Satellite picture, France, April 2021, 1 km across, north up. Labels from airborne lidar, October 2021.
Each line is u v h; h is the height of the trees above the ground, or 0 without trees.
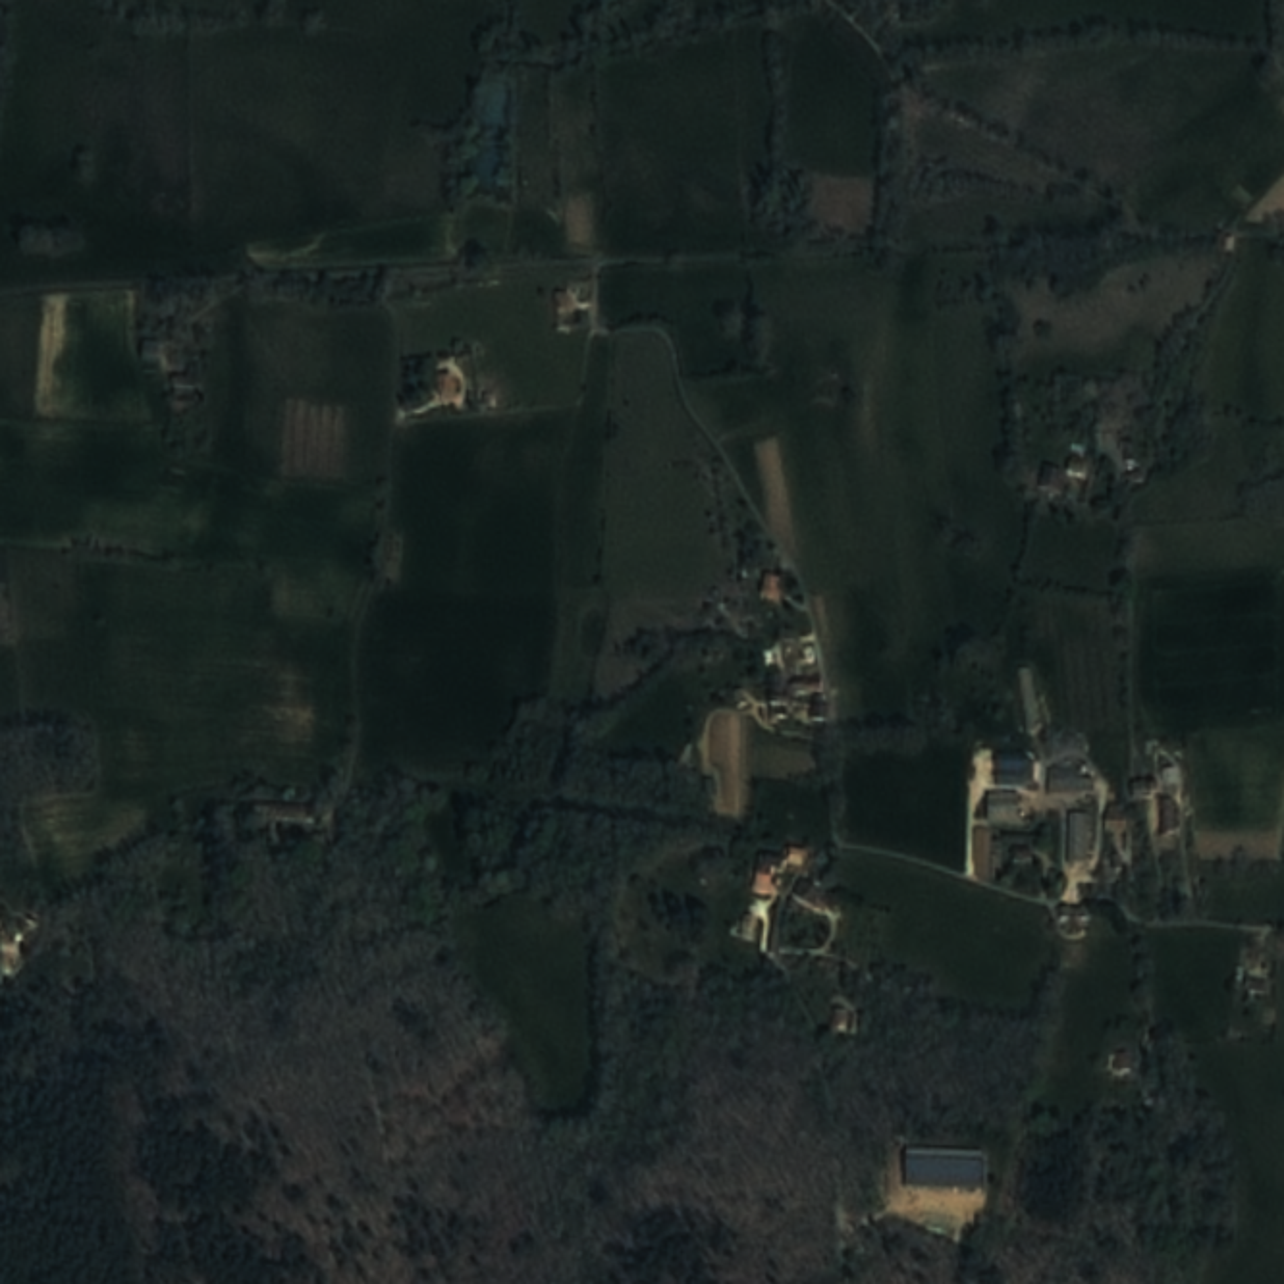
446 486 0
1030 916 0
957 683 0
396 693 0
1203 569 0
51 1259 21
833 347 0
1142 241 11
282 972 20
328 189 0
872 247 8
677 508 0
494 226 0
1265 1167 0
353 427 0
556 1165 17
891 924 0
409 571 0
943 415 0
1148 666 0
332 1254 13
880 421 0
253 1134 10
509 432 0
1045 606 0
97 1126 26
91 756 8
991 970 0
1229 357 0
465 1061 20
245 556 0
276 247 0
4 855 9
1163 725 0
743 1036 16
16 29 0
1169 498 0
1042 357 0
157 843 20
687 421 0
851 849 0
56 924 17
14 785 21
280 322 0
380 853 18
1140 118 0
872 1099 18
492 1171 13
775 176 12
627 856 18
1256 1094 0
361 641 0
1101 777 0
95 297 0
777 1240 12
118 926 22
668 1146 6
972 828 0
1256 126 0
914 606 0
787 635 14
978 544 8
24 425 0
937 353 0
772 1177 18
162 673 0
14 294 0
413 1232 13
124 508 0
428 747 0
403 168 0
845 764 15
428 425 0
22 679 0
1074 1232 17
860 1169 19
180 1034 16
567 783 20
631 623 0
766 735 0
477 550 0
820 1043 16
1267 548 0
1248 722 0
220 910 19
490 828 31
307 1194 12
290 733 0
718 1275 13
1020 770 0
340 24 0
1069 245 19
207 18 11
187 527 0
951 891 0
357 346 0
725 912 0
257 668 0
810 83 0
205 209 0
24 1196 15
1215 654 0
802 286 0
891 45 20
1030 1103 19
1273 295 0
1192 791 0
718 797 0
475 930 0
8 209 0
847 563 0
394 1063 21
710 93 0
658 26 17
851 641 0
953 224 0
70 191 0
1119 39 14
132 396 0
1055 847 9
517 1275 9
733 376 10
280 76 0
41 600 0
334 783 20
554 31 0
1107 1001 0
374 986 14
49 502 0
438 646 0
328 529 0
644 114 0
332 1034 19
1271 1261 0
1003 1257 12
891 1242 16
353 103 0
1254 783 0
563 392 0
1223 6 0
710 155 0
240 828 8
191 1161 19
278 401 0
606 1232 12
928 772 0
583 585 0
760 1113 19
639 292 0
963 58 14
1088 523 0
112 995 17
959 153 0
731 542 9
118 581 0
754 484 0
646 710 0
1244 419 9
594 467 0
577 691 0
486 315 0
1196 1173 26
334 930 17
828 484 0
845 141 0
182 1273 22
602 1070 22
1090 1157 15
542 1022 0
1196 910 21
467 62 0
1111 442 0
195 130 0
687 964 17
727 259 0
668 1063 20
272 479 0
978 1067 18
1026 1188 13
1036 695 0
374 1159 10
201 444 11
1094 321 0
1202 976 0
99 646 0
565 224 0
